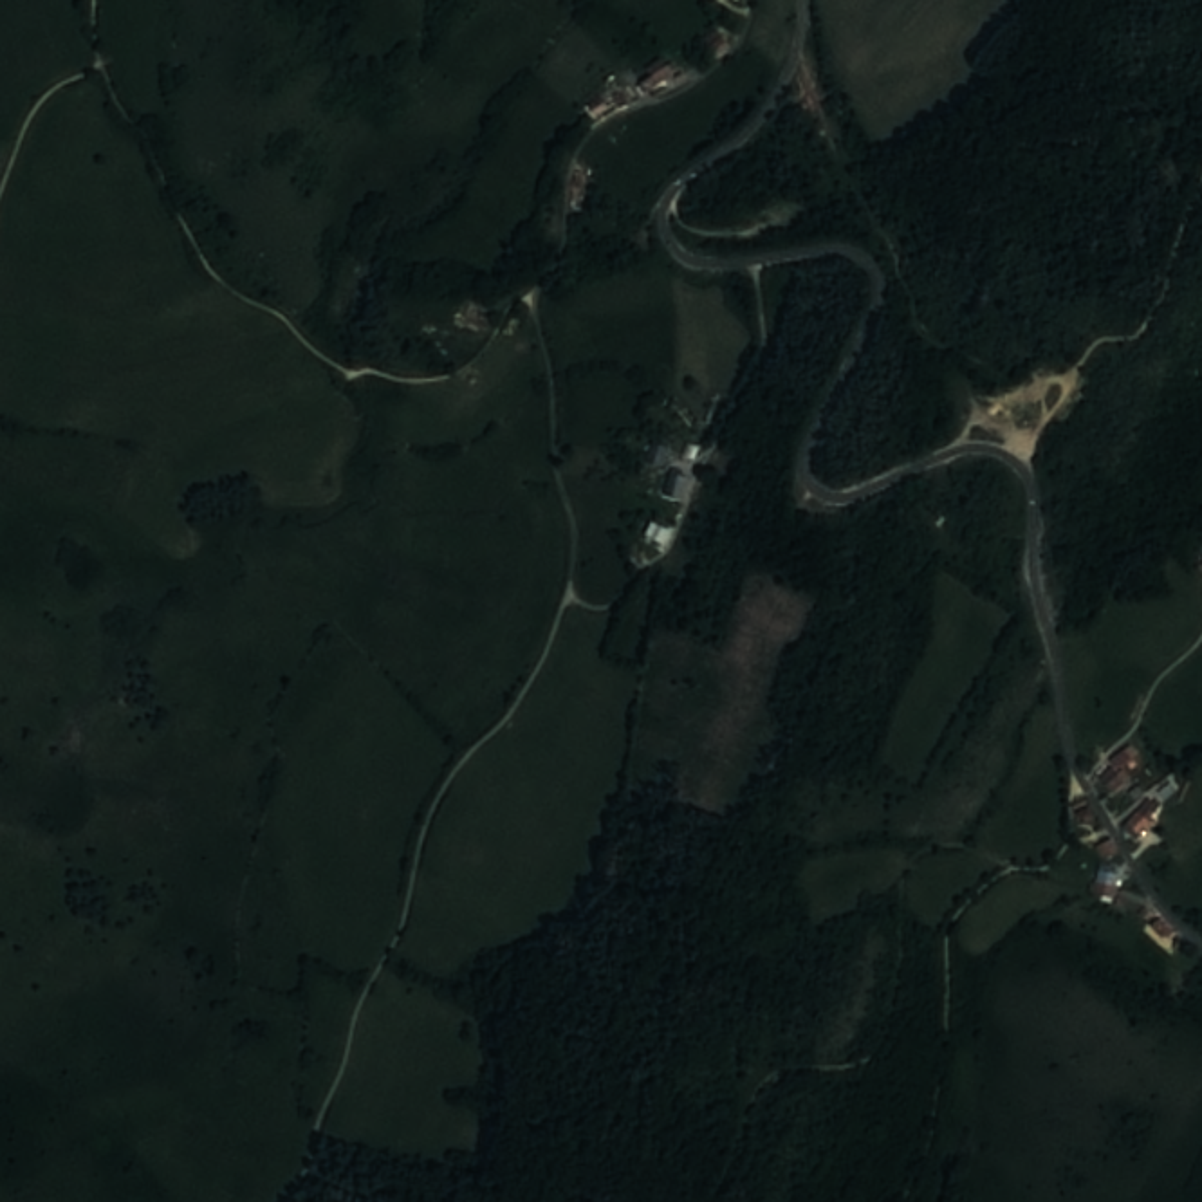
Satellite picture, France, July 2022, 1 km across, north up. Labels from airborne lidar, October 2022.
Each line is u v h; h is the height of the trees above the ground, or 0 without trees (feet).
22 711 0
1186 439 27
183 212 28
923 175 70
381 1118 0
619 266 38
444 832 0
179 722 0
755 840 37
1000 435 0
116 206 0
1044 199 61
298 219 0
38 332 0
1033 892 0
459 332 0
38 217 0
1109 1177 0
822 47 18
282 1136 0
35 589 0
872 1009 18
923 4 0
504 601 0
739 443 48
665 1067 39
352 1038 0
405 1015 0
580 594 0
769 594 0
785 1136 36
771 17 0
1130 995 20
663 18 0
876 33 0
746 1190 45
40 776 0
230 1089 0
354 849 0
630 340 0
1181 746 0
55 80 0
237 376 0
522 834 0
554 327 0
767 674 0
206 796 0
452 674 0
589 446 0
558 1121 50
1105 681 0
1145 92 61
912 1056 30
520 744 0
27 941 0
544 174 27
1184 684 0
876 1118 30
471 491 0
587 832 0
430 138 0
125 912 0
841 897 0
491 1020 29
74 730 0
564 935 93
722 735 0
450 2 44
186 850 0
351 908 0
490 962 43
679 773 63
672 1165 49
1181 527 48
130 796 0
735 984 50
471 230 0
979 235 51
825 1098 31
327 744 0
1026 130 85
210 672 0
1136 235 50
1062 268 35
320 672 0
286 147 32
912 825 0
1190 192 42
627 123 0
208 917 0
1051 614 0
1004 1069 0
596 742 0
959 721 38
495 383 0
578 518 0
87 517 0
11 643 0
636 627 0
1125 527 49
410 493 0
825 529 32
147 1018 0
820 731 32
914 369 28
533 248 45
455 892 0
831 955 27
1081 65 50
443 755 0
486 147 24
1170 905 0
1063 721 0
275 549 0
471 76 0
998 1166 0
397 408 0
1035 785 0
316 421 0
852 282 68
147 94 0
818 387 53
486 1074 41
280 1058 0
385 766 0
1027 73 55
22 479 0
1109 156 37
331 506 0
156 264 0
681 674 0
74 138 0
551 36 0
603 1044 57
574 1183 75
